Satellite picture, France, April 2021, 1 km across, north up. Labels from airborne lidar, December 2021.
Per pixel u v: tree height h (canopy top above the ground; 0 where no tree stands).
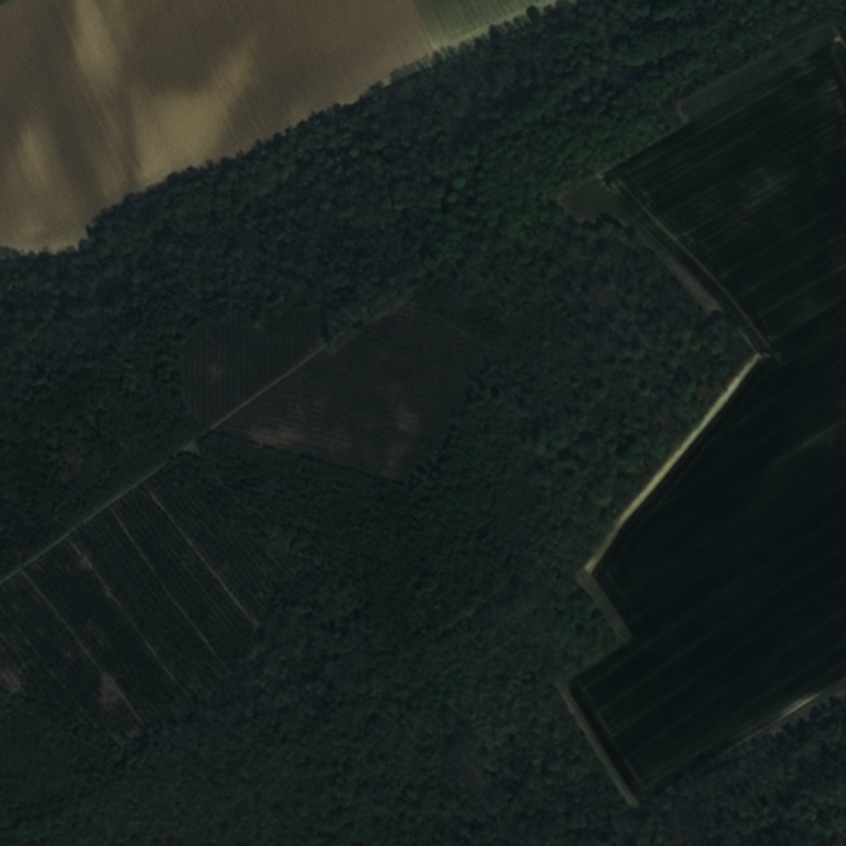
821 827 19
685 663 0
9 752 12
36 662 7
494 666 20
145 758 20
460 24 0
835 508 0
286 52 0
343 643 23
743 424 0
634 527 0
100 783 17
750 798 27
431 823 21
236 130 0
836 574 0
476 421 14
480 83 16
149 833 21
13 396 11
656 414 21
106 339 20
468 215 16
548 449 24
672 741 0
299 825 16
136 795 22
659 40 24
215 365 0
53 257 17
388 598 16
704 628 0
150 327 20
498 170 24
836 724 22
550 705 23
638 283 19
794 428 0
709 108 0
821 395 0
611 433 14
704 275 0
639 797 0
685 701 0
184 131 0
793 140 0
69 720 8
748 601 0
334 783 19
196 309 17
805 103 0
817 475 0
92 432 13
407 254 20
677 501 0
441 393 0
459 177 17
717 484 0
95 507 6
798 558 0
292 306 6
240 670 22
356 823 22
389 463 0
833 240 0
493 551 17
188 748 23
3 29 0
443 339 0
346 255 19
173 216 16
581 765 27
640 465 19
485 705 28
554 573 19
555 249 10
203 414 0
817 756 24
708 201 0
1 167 0
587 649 25
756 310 0
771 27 22
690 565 0
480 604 17
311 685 21
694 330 19
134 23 0
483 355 0
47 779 12
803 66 0
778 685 0
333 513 12
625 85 6
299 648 19
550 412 8
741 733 0
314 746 24
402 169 24
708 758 0
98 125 0
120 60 0
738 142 0
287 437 0
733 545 0
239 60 0
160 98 0
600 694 0
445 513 10
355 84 0
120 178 0
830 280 0
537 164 22
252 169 16
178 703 27
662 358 15
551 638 25
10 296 21
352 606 9
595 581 0
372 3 0
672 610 0
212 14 0
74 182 0
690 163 0
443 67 21
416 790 19
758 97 0
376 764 22
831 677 0
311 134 19
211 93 0
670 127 18
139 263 22
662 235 0
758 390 0
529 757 18
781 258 0
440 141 19
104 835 23
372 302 27
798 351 0
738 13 20
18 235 0
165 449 9
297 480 12
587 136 22
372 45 0
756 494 0
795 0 22
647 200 0
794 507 0
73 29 0
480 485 18
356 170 23
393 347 0
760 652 0
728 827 26
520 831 29
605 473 28
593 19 23
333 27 0
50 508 7
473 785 29
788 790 20
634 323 18
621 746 0
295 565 6
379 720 21
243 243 19
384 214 21
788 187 0
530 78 24
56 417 11
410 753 17
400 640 19
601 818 25
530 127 21
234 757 21
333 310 22
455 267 7
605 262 19
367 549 12
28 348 22
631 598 0
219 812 21
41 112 0
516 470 7
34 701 8
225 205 20
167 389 7
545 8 0
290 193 18
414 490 13
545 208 19
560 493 13
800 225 0
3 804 12
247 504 12
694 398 20
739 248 0
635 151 17
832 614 0
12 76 0
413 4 0
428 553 9
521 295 10
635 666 0
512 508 7
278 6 0
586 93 15
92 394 11
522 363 17
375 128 19
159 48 0
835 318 0
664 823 20
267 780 23
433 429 0
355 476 9
